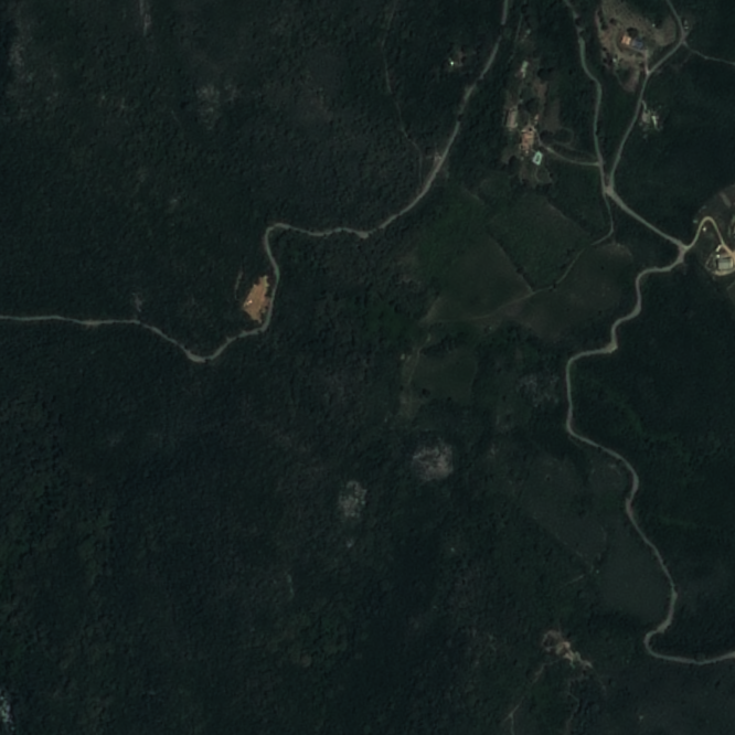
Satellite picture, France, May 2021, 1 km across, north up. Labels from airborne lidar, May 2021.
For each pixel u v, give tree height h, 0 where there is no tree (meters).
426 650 7
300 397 10
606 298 0
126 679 6
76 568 9
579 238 0
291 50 9
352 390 9
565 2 12
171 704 9
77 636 12
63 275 11
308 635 13
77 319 8
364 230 7
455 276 0
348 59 8
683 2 5
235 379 9
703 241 0
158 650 8
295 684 6
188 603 6
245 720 10
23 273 8
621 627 8
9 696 5
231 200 12
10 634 12
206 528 7
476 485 13
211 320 9
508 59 6
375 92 5
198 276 6
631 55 0
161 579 11
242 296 6
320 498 12
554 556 9
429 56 6
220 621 7
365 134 8
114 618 10
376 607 9
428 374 0
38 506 14
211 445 11
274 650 13
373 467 8
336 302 17
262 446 8
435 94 5
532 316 0
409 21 9
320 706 11
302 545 5
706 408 6
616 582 0
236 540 6
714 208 0
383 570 13
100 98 9
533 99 12
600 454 7
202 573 6
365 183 10
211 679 9
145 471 12
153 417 8
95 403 10
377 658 6
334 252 12
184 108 21
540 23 6
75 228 8
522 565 7
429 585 6
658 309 5
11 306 8
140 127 12
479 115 9
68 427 16
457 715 6
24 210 12
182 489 8
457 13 5
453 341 9
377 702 8
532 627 7
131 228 8
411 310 11
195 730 11
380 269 12
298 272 9
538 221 0
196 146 6
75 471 20
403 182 8
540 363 6
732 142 6
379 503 14
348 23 12
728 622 15
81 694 7
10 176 11
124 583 8
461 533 10
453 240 0
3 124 6
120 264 9
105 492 16
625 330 5
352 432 5
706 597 7
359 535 6
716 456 6
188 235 7
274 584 8
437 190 7
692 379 7
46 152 6
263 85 8
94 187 8
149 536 12
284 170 9
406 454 9
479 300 0
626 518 6
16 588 14
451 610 7
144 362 13
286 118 11
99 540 14
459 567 11
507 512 7
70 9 9
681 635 8
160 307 9
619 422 6
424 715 6
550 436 6
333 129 8
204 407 7
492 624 8
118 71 9
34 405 16
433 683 7
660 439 6
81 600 8
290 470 13
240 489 9
